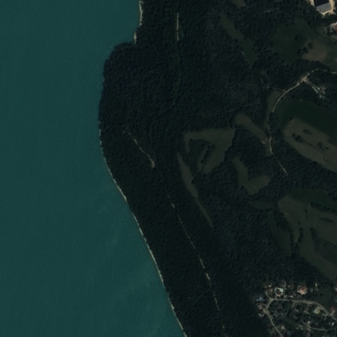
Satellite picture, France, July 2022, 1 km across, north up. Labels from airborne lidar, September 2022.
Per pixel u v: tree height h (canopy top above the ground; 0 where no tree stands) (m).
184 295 15
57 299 0
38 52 0
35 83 0
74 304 0
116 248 0
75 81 0
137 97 24
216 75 11
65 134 0
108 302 0
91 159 0
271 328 7
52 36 0
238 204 8
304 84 12
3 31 0
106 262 0
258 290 16
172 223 12
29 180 0
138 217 12
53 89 0
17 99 0
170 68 21
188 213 12
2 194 0
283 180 17
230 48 17
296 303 0
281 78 14
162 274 10
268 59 12
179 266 10
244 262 14
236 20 17
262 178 0
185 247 14
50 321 0
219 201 12
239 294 15
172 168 18
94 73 0
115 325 0
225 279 14
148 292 0
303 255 0
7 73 0
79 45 0
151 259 0
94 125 0
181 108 16
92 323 0
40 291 0
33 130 0
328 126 0
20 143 0
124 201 0
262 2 24
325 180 7
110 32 0
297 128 0
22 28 0
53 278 0
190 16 14
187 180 0
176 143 14
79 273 0
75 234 0
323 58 0
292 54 0
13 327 0
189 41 16
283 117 0
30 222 0
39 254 0
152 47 21
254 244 14
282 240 0
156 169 16
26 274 0
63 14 0
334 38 0
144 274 0
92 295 0
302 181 17
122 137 8
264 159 15
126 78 28
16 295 0
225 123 9
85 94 0
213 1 13
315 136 0
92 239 0
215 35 13
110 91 20
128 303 0
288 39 0
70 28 0
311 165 16
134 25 0
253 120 10
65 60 0
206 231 15
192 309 14
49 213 0
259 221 14
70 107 0
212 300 18
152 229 13
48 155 0
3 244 0
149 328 0
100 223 0
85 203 0
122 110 9
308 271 12
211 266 11
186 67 14
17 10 0
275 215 12
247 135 19
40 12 0
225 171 9
